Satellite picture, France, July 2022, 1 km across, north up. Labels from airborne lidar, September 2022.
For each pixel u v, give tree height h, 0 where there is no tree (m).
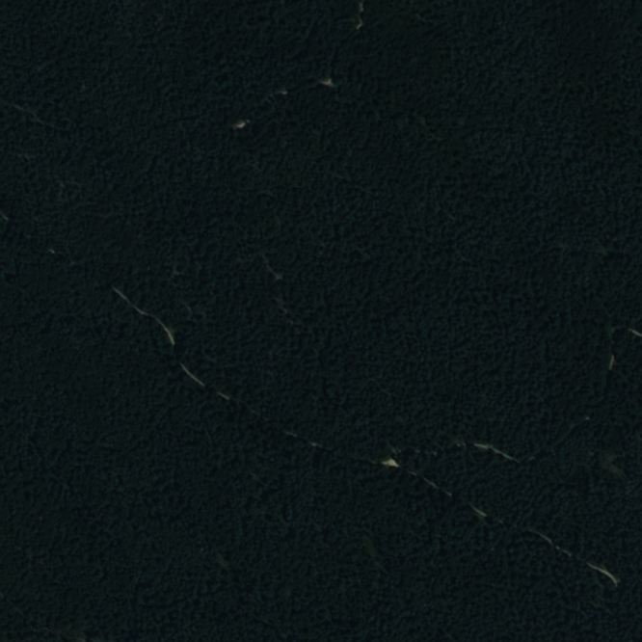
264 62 30
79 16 23
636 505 33
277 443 11
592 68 13
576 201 25
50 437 29
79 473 29
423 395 19
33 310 25
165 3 14
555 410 29
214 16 8
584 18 16
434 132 18
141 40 17
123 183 28
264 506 26
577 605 33
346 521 27
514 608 30
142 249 15
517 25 24
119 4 13
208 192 25
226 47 12
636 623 24
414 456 30
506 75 23
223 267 15
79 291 17
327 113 14
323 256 6
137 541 25
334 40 20
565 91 15
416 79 16
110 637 36
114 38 15
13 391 15
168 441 30
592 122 15
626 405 21
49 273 19
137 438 23
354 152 22
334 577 17
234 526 25
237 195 15
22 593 11
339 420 17
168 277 10
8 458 24
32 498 24
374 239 25
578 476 12
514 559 36
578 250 23
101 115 15
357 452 30
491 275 13
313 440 23
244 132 21
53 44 22
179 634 25
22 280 26
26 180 19
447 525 30
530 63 23
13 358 19
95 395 18
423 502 38
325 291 22
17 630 15
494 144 21
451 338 31
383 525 24
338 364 29
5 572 16
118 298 29
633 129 28
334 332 22
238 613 30
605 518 31
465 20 22
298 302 24
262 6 23
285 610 25
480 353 19
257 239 17
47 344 18
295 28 12
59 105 34
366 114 19
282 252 22
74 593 22
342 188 24
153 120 19
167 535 22
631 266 33
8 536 16
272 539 26
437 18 16
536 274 27
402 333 21
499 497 20
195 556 21
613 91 15
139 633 25
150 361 21
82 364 15
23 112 9
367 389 6
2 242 24
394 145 18
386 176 19
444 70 10
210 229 29
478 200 18
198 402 25
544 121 18
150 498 30
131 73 17
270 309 25
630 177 22
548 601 37
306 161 15
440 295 28
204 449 24
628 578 33
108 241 18
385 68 22
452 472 25
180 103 21
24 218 23
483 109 29
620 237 31
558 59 19
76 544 20
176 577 25
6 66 16
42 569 17
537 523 33
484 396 25
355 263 17
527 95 24
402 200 20
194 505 30
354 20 24
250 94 10
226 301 14
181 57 13
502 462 22
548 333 30
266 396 29
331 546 19
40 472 30
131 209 18
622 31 18
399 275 28
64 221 21
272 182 11
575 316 23
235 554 28
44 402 20
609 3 24
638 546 26
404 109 10
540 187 28
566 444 31
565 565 35
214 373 23
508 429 19
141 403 15
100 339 10
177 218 20
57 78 16
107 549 27
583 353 26
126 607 28
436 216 23
